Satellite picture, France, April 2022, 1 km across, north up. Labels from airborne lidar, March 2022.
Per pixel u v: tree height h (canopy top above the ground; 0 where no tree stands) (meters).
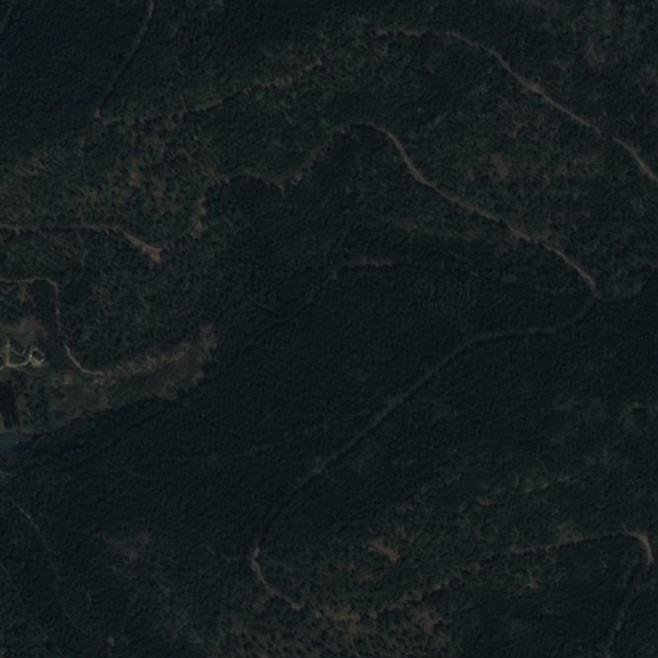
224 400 19
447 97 15
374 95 14
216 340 30
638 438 12
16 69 12
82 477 21
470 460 8
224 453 21
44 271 6
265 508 14
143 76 15
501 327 18
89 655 7
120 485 11
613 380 17
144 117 13
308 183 17
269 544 14
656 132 12
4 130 17
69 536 12
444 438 17
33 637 33
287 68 11
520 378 15
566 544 14
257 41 19
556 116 6
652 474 24
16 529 9
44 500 12
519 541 13
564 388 14
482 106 10
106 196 31
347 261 30
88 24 14
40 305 6
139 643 11
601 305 15
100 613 15
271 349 24
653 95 12
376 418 18
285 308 28
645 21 18
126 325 23
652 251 29
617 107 8
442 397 13
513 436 13
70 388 0
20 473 14
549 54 20
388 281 20
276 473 14
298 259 25
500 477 12
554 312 22
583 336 14
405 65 20
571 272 11
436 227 28
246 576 10
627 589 21
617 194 9
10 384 8
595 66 12
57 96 14
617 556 16
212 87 15
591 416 15
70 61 13
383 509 14
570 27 18
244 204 20
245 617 27
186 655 14
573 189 23
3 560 20
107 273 26
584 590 14
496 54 12
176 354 32
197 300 29
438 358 17
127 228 15
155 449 19
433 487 15
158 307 26
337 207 25
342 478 17
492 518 19
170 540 7
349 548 27
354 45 24
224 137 16
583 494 13
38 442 15
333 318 23
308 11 16
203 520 12
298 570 24
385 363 11
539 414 12
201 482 14
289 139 18
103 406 0
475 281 23
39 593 12
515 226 17
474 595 8
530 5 20
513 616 16
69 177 24
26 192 21
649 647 28
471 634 9
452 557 13
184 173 24
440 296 21
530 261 10
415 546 10
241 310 33
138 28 17
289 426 13
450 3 14
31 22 14
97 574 7
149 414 26
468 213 20
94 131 23
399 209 19
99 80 14
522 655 17
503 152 16
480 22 19
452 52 14
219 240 31
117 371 21
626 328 17
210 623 12
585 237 19
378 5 14
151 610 8
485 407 13
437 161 9
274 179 10
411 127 17
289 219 15
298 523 19
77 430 10
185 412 23
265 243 22
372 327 20
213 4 18
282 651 26
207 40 22
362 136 24
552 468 12
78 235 21
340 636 7
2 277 29
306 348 16
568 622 17
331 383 11
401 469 13
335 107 14
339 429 15
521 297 22
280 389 21
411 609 7
